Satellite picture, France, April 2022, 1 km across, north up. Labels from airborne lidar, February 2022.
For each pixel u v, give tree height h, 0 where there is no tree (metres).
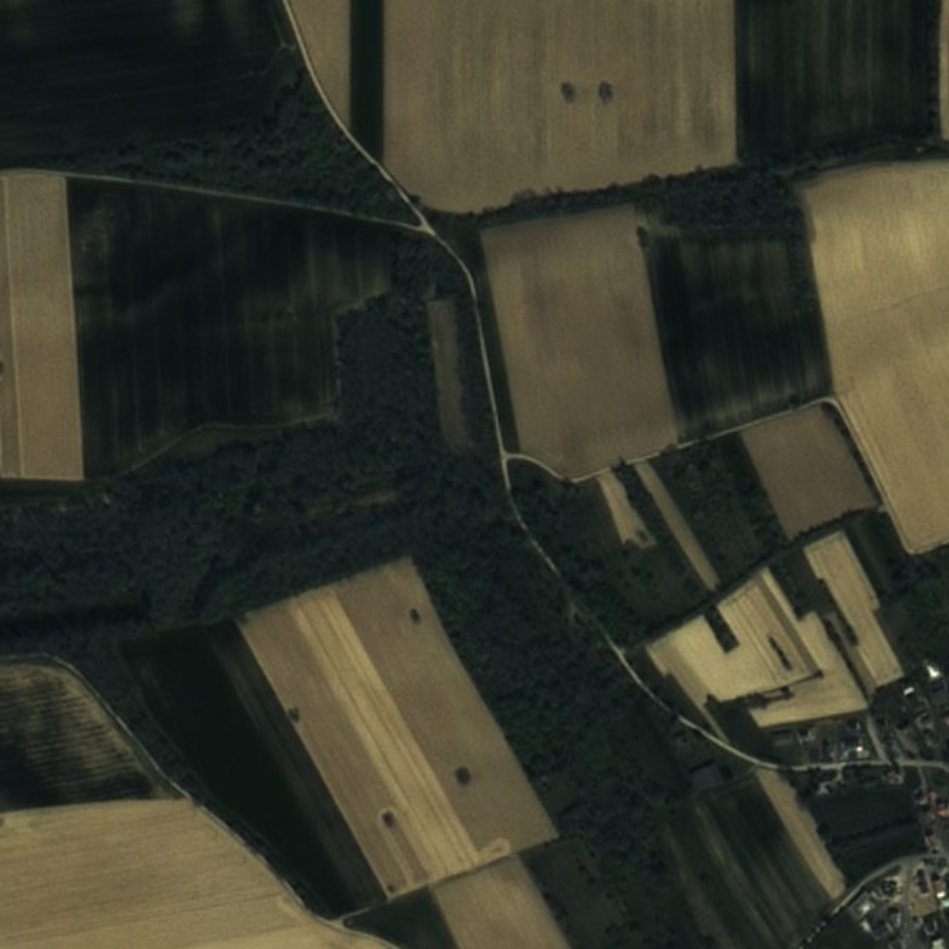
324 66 0
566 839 9
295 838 0
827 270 0
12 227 0
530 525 26
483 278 0
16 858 0
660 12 0
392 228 0
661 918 10
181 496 32
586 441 0
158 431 0
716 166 0
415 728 0
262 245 0
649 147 0
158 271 0
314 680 0
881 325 0
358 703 0
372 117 0
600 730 18
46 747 0
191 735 0
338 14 0
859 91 0
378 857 0
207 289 0
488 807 0
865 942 0
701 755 0
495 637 22
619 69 0
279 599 17
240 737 0
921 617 8
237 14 0
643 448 0
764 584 0
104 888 0
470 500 20
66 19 0
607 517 0
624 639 6
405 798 0
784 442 0
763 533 10
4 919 0
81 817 0
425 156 0
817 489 0
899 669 0
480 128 0
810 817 0
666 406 0
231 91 0
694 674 0
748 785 0
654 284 0
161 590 30
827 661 0
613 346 0
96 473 0
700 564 0
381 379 22
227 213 0
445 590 7
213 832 0
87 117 0
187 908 0
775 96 0
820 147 0
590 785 16
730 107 0
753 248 0
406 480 20
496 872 0
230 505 20
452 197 0
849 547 0
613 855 10
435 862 0
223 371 0
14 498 0
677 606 0
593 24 0
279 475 26
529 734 12
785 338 0
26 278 0
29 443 0
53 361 0
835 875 0
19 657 20
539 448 0
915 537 0
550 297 0
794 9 0
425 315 13
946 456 0
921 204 0
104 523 29
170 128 0
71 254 0
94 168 0
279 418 0
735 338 0
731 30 0
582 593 24
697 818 0
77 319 0
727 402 0
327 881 0
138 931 0
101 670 23
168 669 0
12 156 0
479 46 0
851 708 0
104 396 0
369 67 0
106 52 0
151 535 34
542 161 0
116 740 0
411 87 0
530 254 0
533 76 0
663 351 0
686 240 0
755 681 0
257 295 0
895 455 0
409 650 0
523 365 0
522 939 0
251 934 0
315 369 0
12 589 27
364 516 0
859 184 0
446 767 0
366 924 0
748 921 0
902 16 0
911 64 0
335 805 0
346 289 0
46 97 0
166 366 0
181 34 0
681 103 0
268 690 0
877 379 0
